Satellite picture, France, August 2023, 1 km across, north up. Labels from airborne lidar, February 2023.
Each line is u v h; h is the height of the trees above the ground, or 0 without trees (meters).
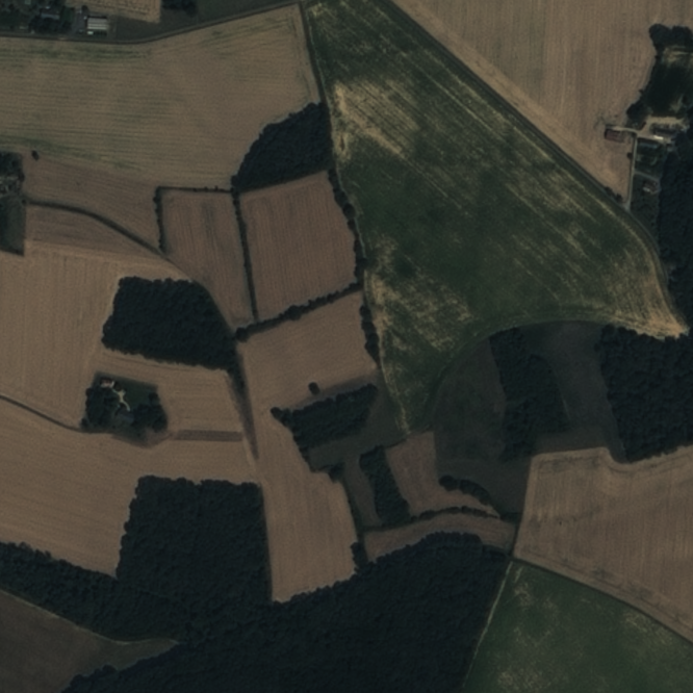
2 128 0
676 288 13
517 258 0
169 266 0
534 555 0
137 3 0
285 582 0
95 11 0
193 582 21
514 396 14
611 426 0
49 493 0
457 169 0
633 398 19
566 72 0
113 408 14
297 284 0
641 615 0
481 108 0
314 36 0
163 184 0
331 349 0
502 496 0
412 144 0
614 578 0
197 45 0
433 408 0
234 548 18
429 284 0
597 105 0
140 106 0
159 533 19
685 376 23
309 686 20
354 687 19
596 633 0
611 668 0
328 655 21
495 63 0
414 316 0
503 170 0
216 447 0
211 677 23
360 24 0
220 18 0
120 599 15
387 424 0
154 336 21
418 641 21
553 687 0
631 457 10
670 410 16
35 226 0
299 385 0
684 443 16
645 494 0
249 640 24
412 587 26
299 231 0
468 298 0
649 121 0
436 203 0
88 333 0
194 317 18
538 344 0
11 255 0
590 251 0
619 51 0
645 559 0
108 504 0
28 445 0
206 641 17
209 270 0
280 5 0
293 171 20
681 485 0
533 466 0
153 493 18
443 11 0
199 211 0
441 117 0
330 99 0
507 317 0
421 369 0
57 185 0
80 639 0
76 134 0
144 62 0
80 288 0
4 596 0
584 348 0
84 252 0
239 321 0
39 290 0
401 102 0
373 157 0
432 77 0
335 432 9
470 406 0
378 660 21
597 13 0
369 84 0
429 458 0
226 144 0
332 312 0
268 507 0
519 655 0
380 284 0
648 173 0
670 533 0
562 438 0
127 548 15
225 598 15
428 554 26
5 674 0
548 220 0
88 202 0
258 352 0
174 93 0
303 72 0
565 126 0
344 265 0
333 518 0
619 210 0
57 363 0
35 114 0
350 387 0
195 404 0
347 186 0
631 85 0
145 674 23
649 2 0
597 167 0
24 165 0
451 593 25
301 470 0
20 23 0
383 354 0
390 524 12
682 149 18
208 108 0
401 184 0
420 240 0
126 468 0
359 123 0
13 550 17
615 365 19
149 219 0
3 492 0
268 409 0
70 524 0
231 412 0
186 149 0
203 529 23
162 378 0
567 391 0
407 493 0
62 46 0
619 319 0
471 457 0
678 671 0
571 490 0
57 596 20
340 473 15
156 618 18
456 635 30
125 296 16
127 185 0
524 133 0
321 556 0
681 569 0
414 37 0
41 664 0
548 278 0
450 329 0
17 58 0
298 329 0
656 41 14
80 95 0
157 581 16
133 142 0
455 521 0
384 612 21
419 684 23
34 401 0
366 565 10
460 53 0
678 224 21
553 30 0
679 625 0
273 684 24
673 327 0
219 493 20
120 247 0
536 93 0
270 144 20
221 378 0
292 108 0
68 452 0
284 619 17
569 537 0
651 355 17
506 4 0
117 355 0
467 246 0
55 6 8
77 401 0
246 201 0
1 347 0
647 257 0
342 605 20
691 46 7
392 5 0
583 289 0
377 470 8
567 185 0
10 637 0
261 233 0
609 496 0
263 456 0
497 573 25
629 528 0
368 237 0
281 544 0
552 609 0
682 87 0
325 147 21
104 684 25
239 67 0
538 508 0
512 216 0
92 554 0
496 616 0
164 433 0
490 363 0
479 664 0
